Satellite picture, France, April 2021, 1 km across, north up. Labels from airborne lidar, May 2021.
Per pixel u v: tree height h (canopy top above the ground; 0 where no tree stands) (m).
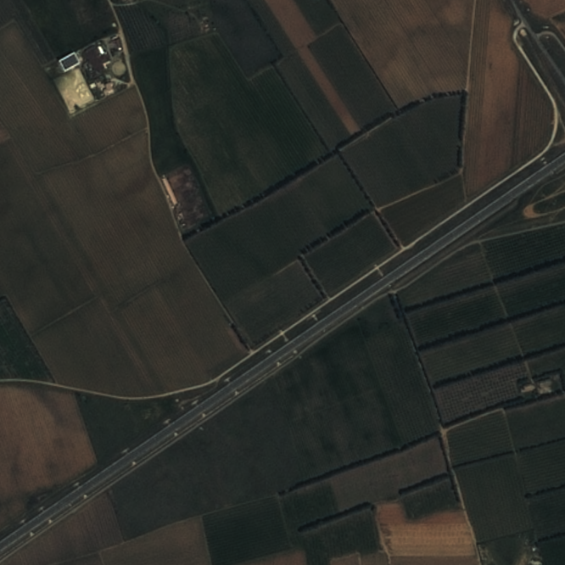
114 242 0
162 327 0
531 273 14
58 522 0
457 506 0
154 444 0
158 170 0
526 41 0
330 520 11
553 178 0
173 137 0
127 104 0
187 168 0
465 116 9
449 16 0
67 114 0
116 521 0
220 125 0
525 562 0
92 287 0
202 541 0
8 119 0
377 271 0
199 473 0
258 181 0
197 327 0
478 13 0
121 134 0
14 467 0
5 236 0
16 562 0
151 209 0
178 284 0
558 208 0
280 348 0
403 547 0
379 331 0
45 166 0
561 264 15
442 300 11
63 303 0
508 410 9
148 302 0
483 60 0
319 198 0
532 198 0
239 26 0
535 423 0
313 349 0
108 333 0
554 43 0
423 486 11
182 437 0
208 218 0
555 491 8
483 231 0
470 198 0
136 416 0
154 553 0
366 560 0
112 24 0
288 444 0
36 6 0
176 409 0
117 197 0
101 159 0
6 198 0
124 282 0
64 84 0
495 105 0
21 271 0
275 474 0
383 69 0
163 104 0
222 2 0
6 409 0
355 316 0
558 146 0
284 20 0
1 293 0
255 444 0
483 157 0
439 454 0
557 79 0
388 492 0
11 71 0
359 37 0
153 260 0
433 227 0
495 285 9
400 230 0
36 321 0
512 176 0
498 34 0
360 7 0
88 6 0
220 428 0
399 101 0
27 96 0
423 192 0
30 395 0
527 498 7
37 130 0
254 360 0
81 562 0
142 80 0
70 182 0
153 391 0
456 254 0
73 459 0
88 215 0
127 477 0
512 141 0
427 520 0
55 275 0
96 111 0
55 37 0
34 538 0
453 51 0
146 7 0
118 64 0
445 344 14
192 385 0
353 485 0
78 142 0
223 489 0
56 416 0
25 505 0
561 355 0
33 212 0
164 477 0
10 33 0
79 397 11
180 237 0
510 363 11
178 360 0
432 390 7
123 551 0
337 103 0
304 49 0
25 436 0
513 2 0
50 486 0
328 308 0
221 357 0
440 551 0
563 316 0
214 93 0
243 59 0
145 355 0
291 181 14
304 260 9
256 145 0
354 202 0
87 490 0
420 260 0
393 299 13
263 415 0
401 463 0
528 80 0
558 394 9
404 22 0
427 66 0
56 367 0
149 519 0
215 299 0
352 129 0
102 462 0
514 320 13
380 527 0
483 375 11
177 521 0
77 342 0
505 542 0
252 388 0
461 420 10
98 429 0
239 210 13
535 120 0
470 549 0
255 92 0
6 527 0
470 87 0
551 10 0
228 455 0
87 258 0
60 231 0
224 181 0
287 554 0
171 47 0
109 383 0
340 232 14
